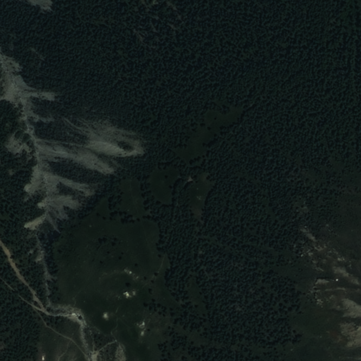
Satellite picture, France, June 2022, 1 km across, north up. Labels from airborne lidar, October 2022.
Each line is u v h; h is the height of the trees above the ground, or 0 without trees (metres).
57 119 9
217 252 16
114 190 25
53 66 16
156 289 0
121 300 0
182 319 10
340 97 20
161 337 0
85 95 12
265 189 13
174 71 16
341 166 0
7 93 0
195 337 0
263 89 12
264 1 19
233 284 9
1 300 8
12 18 18
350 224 0
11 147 0
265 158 13
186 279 19
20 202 13
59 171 10
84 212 9
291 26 21
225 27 20
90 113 9
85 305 0
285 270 0
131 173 7
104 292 0
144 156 10
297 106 22
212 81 21
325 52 29
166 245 15
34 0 0
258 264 14
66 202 0
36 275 15
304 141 15
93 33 28
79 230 0
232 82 18
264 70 22
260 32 18
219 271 16
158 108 18
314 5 16
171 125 24
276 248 11
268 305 18
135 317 0
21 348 18
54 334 0
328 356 0
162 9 16
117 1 17
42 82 15
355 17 6
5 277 24
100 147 0
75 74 10
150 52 21
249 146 16
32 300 17
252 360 8
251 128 13
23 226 17
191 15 10
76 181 7
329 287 0
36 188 0
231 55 16
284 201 8
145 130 12
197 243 19
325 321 0
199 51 24
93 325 0
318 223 7
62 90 12
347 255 0
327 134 21
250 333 18
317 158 11
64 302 0
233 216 13
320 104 12
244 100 16
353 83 19
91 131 0
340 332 0
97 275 0
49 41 19
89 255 0
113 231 0
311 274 0
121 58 23
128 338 0
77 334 0
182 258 18
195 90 19
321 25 17
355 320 0
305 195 8
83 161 0
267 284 11
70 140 6
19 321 19
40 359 0
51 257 9
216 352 17
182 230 14
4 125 12
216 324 15
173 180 0
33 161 8
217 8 15
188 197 17
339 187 9
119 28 13
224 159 15
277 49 19
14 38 8
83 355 0
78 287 0
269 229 6
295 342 18
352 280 0
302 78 18
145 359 0
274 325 16
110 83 17
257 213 11
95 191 6
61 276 0
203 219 12
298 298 12
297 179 12
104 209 0
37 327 13
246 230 15
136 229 0
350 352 0
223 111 15
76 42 21
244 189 9
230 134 17
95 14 13
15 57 11
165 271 0
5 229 10
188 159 0
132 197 0
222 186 15
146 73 22
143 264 0
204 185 0
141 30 21
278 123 19
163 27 14
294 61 21
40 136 7
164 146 13
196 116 19
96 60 19
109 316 0
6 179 17
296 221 7
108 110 10
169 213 20
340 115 17
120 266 0
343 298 0
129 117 14
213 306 18
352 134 23
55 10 20
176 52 26
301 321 0
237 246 9
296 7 17
